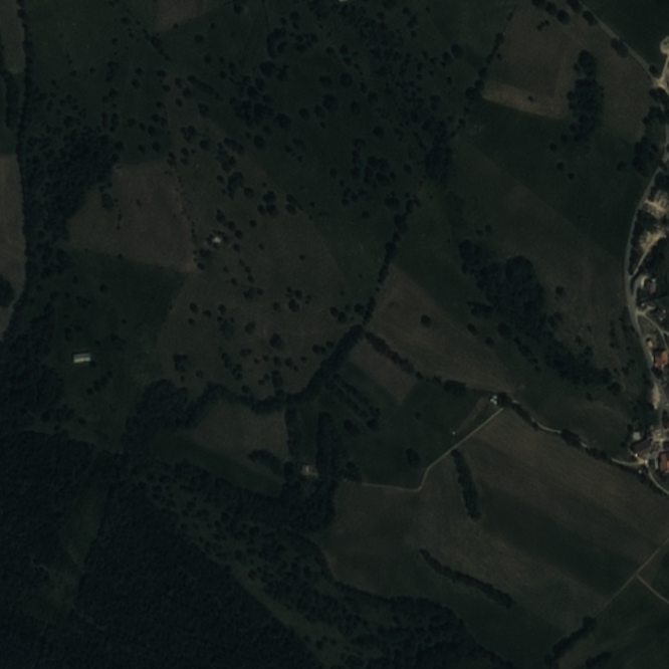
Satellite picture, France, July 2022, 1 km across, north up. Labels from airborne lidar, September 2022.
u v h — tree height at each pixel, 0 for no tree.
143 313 0
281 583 8
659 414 0
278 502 16
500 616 0
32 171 7
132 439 21
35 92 6
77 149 16
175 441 0
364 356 0
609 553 0
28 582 12
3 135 0
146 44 0
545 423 0
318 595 17
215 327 0
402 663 10
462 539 0
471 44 0
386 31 12
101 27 0
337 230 0
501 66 0
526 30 0
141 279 0
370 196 14
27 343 20
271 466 18
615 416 0
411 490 0
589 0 0
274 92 0
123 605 8
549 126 0
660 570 0
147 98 0
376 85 0
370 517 0
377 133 12
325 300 0
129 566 10
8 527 8
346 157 0
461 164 0
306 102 0
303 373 0
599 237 0
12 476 13
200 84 13
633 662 0
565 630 0
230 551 0
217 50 0
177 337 0
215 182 0
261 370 0
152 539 11
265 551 12
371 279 0
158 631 9
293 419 21
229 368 10
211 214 0
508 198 0
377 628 0
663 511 0
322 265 0
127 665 9
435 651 19
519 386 0
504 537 0
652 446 0
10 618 11
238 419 0
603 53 0
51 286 0
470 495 16
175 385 16
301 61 0
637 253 12
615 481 0
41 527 15
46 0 0
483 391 0
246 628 10
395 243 7
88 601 10
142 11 0
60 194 8
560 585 0
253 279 10
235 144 14
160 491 11
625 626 0
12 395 20
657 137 0
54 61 0
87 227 0
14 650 23
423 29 0
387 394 0
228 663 9
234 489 14
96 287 0
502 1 0
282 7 0
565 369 22
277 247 0
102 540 7
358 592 14
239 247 10
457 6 0
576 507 0
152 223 0
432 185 0
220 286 0
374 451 0
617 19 0
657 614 0
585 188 0
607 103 0
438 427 0
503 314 19
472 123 0
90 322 0
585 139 20
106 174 12
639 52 0
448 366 0
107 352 0
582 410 0
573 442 22
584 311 0
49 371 16
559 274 0
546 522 0
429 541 0
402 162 0
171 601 10
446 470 0
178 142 0
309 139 0
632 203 0
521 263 17
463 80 0
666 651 0
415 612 15
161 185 0
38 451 11
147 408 20
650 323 0
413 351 0
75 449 14
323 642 8
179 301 0
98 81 0
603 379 9
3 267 0
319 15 12
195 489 12
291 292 12
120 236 0
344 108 0
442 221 0
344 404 13
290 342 0
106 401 0
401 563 0
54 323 8
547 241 0
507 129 0
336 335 0
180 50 0
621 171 7
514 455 0
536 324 19
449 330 0
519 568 0
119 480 8
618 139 0
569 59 0
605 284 0
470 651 17
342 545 0
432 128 16
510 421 0
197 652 8
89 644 11
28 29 12
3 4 0
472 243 11
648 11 0
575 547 0
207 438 0
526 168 0
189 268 0
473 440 0
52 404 11
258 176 0
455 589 0
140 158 0
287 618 0
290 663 10
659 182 13
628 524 0
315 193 0
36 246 13
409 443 0
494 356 0
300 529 20
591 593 0
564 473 0
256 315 0
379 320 0
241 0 18
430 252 0
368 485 0
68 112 0
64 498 14
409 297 0
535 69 0
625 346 0
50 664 26
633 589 0
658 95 17
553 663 20
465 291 0
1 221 0
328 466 18
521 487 0
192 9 0
